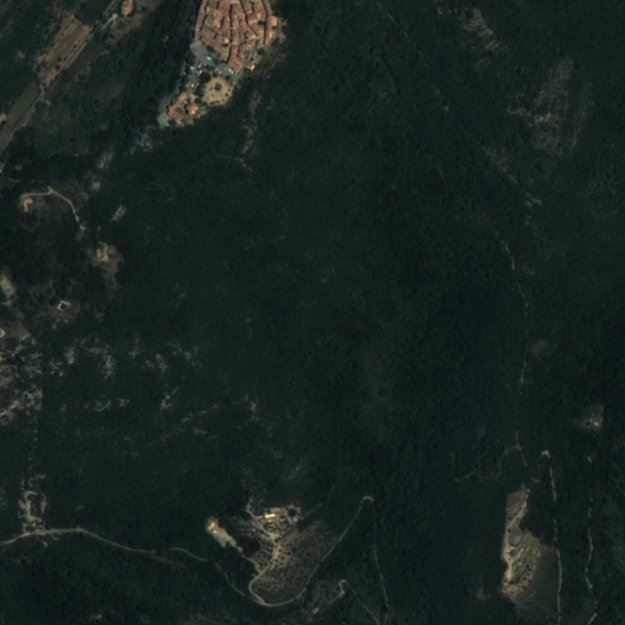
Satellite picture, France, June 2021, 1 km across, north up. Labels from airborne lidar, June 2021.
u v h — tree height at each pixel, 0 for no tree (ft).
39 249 26
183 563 23
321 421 42
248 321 30
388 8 33
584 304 38
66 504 38
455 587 47
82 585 21
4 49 21
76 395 23
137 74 21
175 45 26
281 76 34
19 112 0
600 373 45
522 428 29
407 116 28
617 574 38
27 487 32
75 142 32
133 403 32
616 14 26
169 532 31
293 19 37
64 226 21
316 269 27
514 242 21
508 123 20
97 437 25
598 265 26
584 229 25
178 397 26
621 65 25
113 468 26
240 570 33
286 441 19
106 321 25
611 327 44
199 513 34
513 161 21
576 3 21
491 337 28
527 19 20
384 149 28
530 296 23
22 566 61
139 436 23
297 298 23
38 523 30
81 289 25
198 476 37
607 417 47
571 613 38
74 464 26
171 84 25
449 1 23
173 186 22
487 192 43
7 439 28
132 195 27
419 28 20
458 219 35
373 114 21
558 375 36
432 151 38
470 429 29
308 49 43
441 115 20
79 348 49
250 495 27
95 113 30
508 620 29
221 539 0
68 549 42
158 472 28
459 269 26
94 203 34
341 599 20
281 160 29
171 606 28
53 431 26
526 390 32
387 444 31
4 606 29
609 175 47
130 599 32
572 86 18
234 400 21
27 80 22
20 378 18
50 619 63
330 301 32
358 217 31
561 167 22
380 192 59
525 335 31
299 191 37
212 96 0
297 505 20
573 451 38
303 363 52
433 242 29
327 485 37
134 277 25
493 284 31
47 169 42
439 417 35
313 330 35
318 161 28
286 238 21
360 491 35
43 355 24
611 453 37
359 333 46
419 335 39
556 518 31
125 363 25
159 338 25
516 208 30
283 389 27
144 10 26
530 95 26
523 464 20
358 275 39
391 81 28
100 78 31
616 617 18
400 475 24
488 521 30
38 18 34
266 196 18
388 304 34
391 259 41
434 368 22
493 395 34
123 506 29
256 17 0
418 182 26
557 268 26
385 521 22
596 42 23
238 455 38
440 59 27
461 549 20
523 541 0
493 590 29
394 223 33
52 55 0
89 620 53
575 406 46
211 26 0
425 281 41
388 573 22
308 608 25
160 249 26
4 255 43
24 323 29
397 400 21
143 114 31
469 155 28
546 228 25
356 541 25
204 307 24
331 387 59
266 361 36
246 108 31
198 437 29
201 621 20
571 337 32
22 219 19
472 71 23
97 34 31
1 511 26
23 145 29
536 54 28
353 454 58
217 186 22
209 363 19
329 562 26
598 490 25
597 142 32
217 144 29
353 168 29
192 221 28
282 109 22
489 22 29
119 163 34
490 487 21
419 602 20
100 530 29
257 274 26
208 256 27
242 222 36
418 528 25
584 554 24
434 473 44
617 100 35
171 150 36
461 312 45
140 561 35
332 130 32
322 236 22
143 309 31
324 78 25
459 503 26
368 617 21
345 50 24
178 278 23
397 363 31
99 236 29
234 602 24
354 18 33
